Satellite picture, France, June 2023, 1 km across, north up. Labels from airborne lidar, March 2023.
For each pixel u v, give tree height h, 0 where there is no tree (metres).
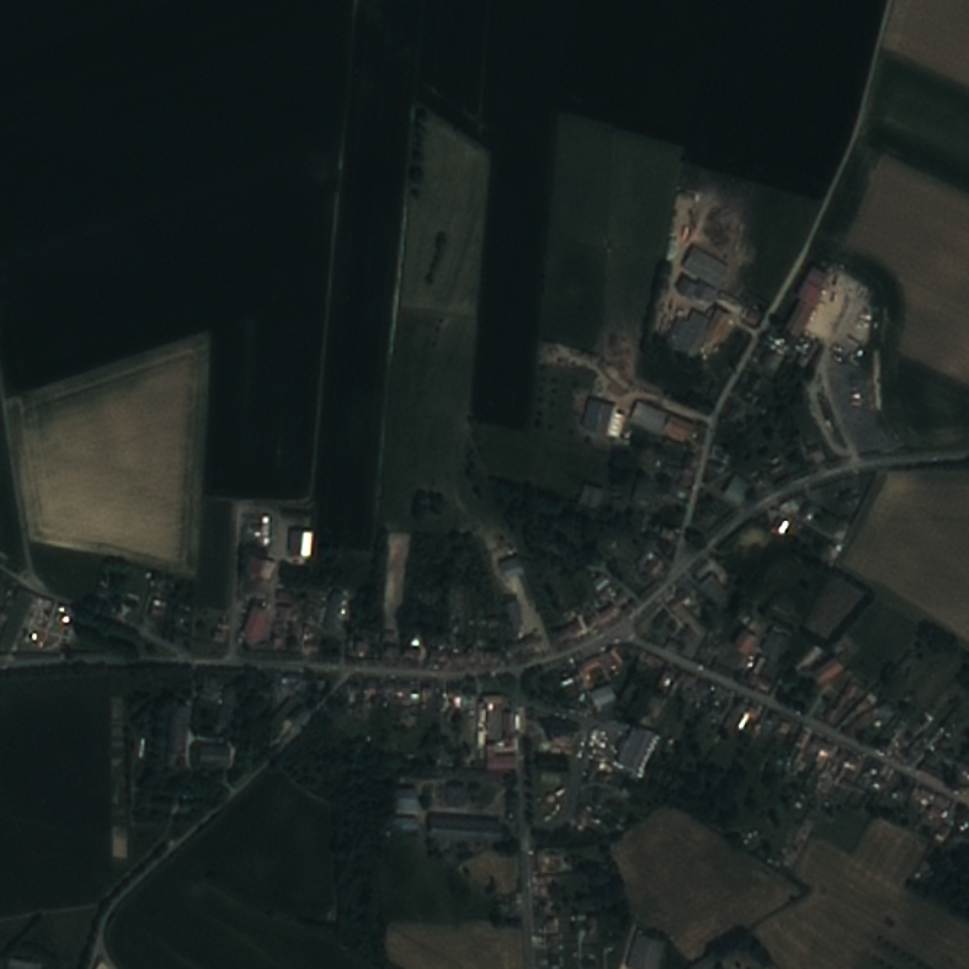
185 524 0
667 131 0
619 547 0
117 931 0
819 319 0
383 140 0
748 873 0
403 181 0
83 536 0
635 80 0
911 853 0
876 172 0
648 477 7
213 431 0
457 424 0
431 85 0
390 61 0
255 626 0
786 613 0
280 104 0
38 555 0
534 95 0
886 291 0
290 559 0
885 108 0
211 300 0
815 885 0
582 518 11
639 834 0
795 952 0
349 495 0
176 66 0
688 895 0
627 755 0
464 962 0
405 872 0
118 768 0
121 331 0
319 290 0
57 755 0
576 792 0
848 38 0
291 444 0
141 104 0
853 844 0
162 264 0
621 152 0
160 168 0
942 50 0
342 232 0
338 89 0
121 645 19
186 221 0
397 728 6
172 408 0
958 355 0
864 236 0
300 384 0
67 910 0
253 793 0
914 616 0
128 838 0
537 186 0
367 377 0
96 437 0
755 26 0
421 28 0
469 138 0
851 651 0
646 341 8
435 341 0
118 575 10
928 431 0
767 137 0
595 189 0
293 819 0
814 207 0
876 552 0
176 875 0
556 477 0
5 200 0
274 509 0
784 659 12
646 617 0
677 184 0
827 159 0
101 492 0
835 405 0
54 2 0
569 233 0
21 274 0
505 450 0
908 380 0
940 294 0
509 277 0
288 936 0
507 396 0
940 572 0
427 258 0
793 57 0
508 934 0
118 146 0
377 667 0
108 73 0
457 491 0
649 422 0
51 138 0
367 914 16
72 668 8
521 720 0
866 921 0
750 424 7
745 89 0
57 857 0
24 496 0
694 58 0
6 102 0
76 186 0
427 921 0
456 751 6
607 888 16
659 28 0
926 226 0
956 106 0
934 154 0
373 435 0
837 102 0
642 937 0
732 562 0
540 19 0
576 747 0
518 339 0
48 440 0
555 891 10
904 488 0
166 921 0
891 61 0
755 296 0
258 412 0
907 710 11
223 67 0
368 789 20
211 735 6
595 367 0
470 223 0
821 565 12
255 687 10
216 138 0
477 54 0
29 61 0
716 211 0
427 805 10
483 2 0
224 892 0
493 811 0
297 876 0
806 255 0
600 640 0
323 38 0
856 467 0
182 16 0
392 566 0
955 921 0
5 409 0
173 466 0
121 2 0
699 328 0
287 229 0
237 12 0
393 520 0
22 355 0
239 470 0
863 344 0
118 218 0
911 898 0
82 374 0
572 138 0
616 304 0
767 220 0
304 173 0
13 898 0
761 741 0
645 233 0
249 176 0
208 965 0
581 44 0
